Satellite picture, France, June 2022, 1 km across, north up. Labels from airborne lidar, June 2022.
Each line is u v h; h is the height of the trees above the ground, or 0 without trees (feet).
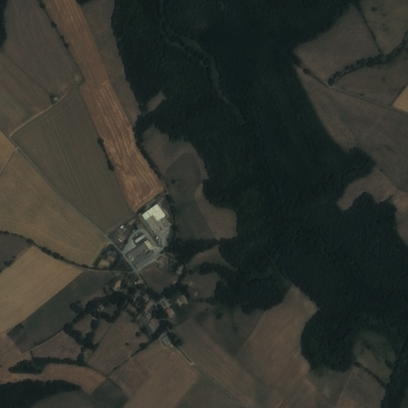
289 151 22
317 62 0
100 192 0
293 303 0
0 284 0
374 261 46
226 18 31
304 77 0
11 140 0
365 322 26
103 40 0
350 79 0
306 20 27
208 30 31
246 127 59
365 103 0
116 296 59
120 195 0
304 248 70
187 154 0
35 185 0
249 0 34
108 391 0
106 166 0
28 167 0
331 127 0
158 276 0
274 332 0
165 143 0
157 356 0
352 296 81
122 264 0
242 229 60
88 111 0
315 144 24
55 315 0
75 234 0
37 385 62
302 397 0
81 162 0
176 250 39
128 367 0
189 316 0
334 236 68
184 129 53
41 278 0
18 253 0
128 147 0
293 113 22
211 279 0
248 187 64
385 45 0
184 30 48
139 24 54
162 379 0
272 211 57
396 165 0
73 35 0
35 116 0
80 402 0
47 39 0
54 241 0
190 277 0
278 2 30
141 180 0
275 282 63
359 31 0
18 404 33
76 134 0
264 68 20
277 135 47
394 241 57
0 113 0
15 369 41
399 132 0
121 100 0
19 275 0
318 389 0
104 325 0
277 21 27
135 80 59
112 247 23
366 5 0
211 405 0
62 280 0
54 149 0
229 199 54
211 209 0
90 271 0
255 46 48
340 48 0
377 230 93
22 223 0
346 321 57
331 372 0
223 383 0
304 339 44
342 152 22
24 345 0
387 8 0
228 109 70
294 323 0
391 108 0
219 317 36
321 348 69
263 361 0
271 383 0
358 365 45
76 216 0
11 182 0
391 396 57
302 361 0
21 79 0
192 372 0
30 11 0
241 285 94
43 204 0
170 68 62
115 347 0
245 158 53
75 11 0
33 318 0
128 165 0
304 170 25
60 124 0
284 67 23
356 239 70
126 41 38
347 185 34
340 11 47
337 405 0
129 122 0
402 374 68
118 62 0
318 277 47
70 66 0
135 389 0
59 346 0
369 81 0
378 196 0
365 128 0
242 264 64
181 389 0
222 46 45
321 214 21
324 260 69
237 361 0
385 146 0
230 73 36
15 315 0
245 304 52
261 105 24
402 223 0
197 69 64
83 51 0
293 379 0
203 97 61
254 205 63
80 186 0
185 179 0
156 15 53
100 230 0
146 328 35
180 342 46
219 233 0
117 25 69
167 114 66
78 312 56
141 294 25
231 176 33
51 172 0
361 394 0
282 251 73
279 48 41
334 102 0
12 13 0
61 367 0
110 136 0
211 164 47
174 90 43
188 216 0
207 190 45
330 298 45
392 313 87
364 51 0
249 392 0
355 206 38
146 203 0
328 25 59
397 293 68
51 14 0
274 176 58
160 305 41
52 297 0
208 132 44
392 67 0
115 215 0
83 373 0
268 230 95
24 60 0
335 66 0
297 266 70
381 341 0
